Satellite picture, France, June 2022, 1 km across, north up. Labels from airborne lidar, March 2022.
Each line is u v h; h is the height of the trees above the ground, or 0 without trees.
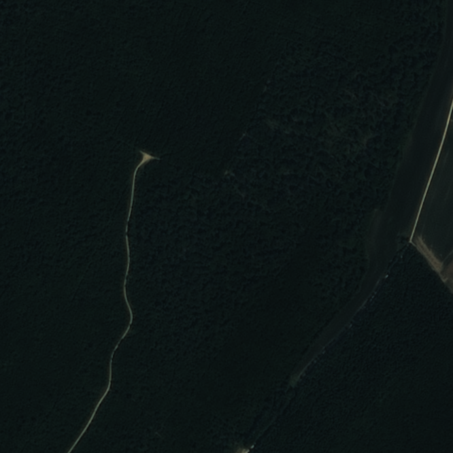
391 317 15
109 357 8
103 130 8
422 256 13
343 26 9
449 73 0
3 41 18
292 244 20
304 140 21
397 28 7
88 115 17
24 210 10
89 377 9
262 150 22
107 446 13
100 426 10
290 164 24
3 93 24
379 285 0
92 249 12
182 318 18
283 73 20
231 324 17
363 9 7
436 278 15
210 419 11
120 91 10
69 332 7
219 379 8
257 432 22
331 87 20
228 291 19
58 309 10
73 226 15
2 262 8
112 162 10
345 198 22
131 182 0
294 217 6
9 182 19
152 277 17
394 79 28
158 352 7
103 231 13
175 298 18
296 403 17
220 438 17
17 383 7
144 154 0
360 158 21
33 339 9
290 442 16
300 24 5
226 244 20
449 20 0
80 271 6
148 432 15
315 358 0
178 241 23
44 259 15
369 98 25
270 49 6
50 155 13
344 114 17
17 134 15
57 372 11
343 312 0
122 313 6
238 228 16
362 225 13
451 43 0
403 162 0
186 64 9
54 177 16
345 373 16
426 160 0
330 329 0
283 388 17
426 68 23
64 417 8
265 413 17
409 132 7
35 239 10
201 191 19
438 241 0
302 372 0
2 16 21
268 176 22
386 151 26
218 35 8
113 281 8
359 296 0
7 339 7
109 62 12
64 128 15
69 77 14
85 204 6
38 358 9
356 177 22
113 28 11
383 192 24
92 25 10
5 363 11
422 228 0
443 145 0
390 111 26
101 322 6
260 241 23
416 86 23
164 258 19
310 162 22
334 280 19
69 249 11
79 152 6
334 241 23
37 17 13
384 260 0
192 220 19
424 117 0
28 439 6
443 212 0
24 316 9
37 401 7
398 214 0
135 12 10
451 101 0
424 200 0
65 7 13
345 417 15
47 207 18
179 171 15
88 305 7
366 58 7
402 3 25
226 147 6
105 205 7
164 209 19
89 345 9
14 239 7
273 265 20
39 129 13
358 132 24
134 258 8
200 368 7
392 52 26
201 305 17
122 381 11
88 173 7
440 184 0
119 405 8
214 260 16
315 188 19
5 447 6
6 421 13
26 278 9
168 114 5
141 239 21
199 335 17
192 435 7
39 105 12
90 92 11
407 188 0
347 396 16
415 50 26
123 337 0
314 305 7
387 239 0
